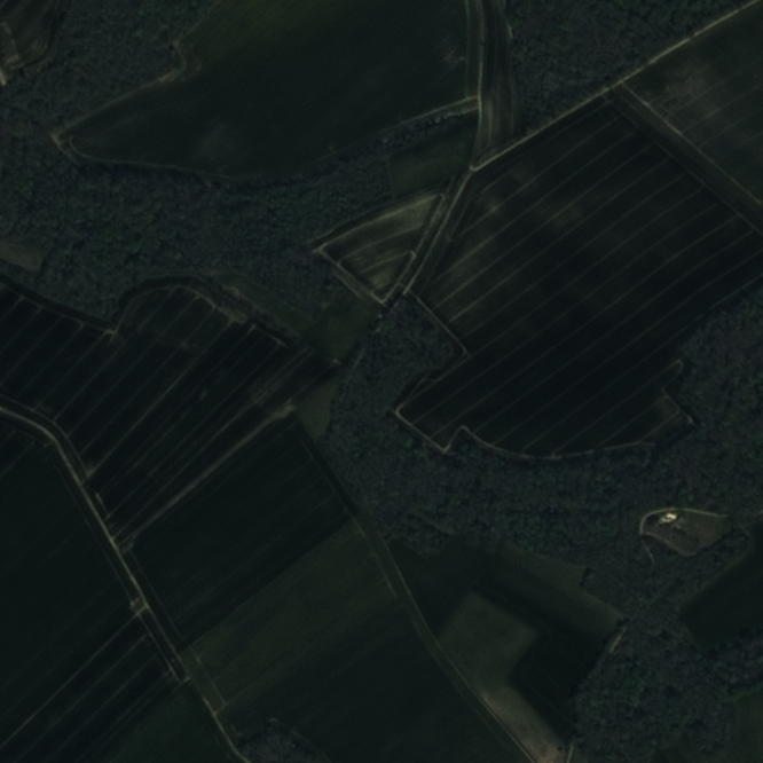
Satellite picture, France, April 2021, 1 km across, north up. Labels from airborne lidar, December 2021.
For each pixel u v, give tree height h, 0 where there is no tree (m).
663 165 0
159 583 0
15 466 0
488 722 0
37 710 0
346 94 0
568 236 0
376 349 16
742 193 0
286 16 0
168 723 0
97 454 0
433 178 0
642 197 0
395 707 0
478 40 0
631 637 21
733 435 22
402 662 0
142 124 0
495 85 0
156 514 0
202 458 0
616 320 0
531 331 0
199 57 0
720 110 0
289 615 0
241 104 0
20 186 18
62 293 10
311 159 0
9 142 22
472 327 0
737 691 18
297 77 0
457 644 0
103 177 22
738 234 0
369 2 0
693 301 0
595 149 0
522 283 0
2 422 0
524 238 0
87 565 0
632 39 8
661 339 0
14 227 21
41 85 8
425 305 0
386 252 0
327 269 18
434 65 0
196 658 0
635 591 19
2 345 0
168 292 0
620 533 10
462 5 0
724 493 18
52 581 0
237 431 0
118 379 0
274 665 0
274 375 0
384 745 0
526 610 0
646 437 0
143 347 0
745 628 0
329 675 0
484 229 0
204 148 0
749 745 0
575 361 0
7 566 0
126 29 18
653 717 29
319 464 0
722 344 23
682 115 0
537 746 0
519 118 0
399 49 0
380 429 20
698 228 0
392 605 0
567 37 18
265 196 17
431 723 0
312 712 0
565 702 0
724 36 0
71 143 0
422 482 25
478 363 0
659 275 0
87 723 0
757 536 0
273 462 0
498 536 20
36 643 0
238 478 0
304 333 0
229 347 0
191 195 22
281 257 20
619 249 0
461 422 0
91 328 0
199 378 0
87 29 11
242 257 21
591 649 0
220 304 0
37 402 0
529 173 0
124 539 0
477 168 0
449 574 0
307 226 8
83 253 27
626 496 14
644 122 0
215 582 0
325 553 0
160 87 0
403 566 0
